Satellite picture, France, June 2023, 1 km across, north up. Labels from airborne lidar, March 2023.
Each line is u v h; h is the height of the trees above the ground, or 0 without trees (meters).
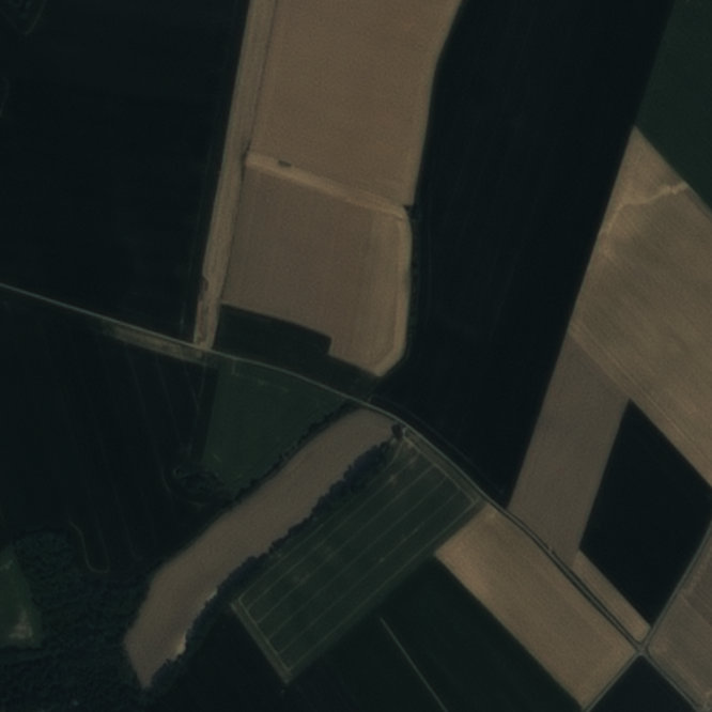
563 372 0
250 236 0
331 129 0
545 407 0
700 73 0
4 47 0
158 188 0
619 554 0
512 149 0
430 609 0
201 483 9
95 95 0
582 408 0
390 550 0
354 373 0
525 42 0
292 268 0
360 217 0
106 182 0
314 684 0
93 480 0
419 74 0
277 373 0
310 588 0
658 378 0
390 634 0
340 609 0
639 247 0
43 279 0
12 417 0
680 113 0
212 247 0
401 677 0
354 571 0
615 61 0
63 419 0
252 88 0
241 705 0
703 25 0
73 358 0
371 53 0
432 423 0
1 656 15
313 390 0
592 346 0
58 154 0
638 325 0
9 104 0
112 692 15
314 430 13
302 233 0
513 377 0
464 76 0
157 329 0
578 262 0
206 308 0
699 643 0
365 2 0
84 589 19
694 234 0
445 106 0
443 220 0
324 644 0
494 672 0
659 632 0
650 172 0
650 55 0
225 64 0
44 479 0
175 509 0
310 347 0
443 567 0
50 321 0
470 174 0
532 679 0
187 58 0
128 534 0
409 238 0
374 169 0
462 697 0
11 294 0
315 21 0
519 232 0
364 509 0
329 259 0
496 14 0
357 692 0
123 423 0
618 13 0
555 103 0
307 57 0
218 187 0
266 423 0
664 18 0
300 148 0
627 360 0
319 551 0
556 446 0
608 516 0
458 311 0
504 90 0
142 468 0
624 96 0
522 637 0
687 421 0
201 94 0
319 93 0
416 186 0
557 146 0
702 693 0
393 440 0
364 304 0
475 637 0
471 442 0
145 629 0
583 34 0
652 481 0
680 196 0
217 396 0
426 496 0
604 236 0
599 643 0
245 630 0
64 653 32
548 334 0
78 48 0
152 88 0
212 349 0
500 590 0
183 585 0
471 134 0
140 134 0
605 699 0
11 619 0
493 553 0
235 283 0
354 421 0
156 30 0
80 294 0
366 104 0
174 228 0
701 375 0
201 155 0
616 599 0
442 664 0
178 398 0
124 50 0
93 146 0
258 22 0
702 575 0
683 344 0
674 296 0
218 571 0
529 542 0
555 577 0
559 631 0
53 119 0
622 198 0
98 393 0
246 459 0
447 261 0
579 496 0
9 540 0
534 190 0
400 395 0
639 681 0
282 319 0
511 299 0
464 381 0
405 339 0
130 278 0
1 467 0
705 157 0
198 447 0
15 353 0
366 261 0
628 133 0
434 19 0
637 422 0
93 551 0
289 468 0
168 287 0
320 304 0
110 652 34
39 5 0
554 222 0
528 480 0
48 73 0
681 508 0
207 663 0
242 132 0
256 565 18
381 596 0
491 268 0
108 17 0
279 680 0
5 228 0
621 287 0
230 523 0
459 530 0
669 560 0
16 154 0
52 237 0
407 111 0
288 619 0
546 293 0
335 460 0
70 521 0
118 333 0
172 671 18
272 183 0
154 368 0
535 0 0
